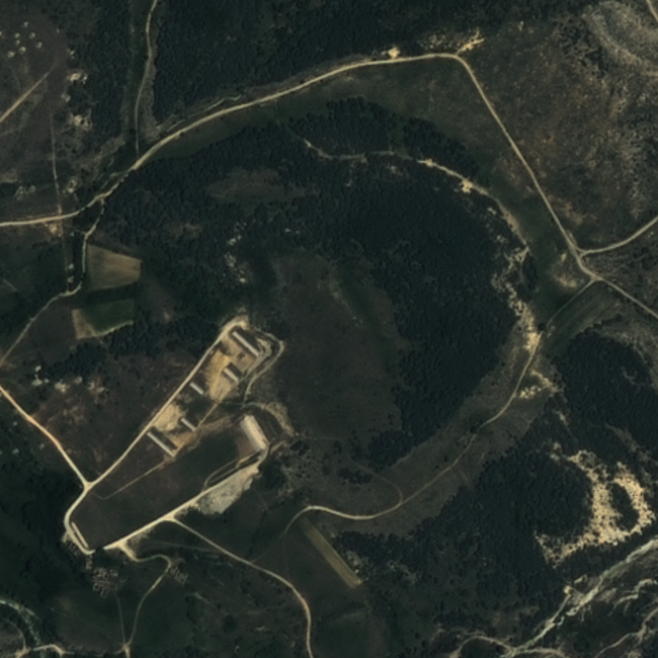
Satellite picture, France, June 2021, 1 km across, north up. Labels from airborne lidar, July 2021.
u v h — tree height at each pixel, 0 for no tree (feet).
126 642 0
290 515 0
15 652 0
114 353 23
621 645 0
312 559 0
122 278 0
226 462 0
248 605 0
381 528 0
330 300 0
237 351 0
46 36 0
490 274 20
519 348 0
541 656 0
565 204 0
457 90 0
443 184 27
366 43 19
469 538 28
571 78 0
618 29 0
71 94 22
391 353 0
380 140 23
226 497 0
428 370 30
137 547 0
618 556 24
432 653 31
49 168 0
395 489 0
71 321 0
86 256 0
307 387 0
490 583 27
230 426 0
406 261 29
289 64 24
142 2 0
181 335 23
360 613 0
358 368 0
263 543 0
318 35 28
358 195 24
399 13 21
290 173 26
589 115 0
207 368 0
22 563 0
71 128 0
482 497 29
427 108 0
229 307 0
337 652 0
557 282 0
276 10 34
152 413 0
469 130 0
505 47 0
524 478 29
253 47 36
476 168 22
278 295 0
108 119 28
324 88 0
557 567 18
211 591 0
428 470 0
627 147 0
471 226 28
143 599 0
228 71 39
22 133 0
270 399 0
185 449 0
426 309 31
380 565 20
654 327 0
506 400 0
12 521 0
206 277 23
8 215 0
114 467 0
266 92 0
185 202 33
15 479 0
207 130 0
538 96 0
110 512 0
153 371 0
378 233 36
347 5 42
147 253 0
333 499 0
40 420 0
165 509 0
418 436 33
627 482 0
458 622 22
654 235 0
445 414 38
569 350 20
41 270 0
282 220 22
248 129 25
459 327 30
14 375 0
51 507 25
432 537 22
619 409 33
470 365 33
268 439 0
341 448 19
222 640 0
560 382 28
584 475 20
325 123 31
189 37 25
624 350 28
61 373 24
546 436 27
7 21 0
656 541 0
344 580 0
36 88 0
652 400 28
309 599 0
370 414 0
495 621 0
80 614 0
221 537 0
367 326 0
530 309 0
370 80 0
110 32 22
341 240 38
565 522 22
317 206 26
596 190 0
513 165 0
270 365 0
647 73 0
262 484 0
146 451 0
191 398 0
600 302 0
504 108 0
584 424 20
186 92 27
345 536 21
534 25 0
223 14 29
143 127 0
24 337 0
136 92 0
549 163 0
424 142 17
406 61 0
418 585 20
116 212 31
